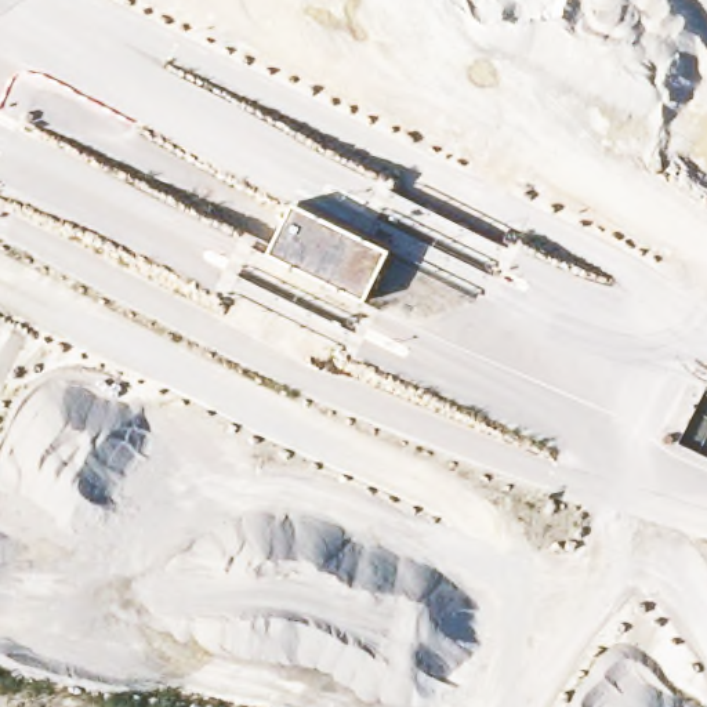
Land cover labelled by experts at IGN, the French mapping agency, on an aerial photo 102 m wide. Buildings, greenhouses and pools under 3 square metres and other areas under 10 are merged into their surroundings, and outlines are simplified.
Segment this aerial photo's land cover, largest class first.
<instances>
[{"label":"pervious surface","instance_id":"1","mask_svg":"<svg viewBox=\"0 0 707 707\"><path fill-rule=\"evenodd\" d=\"M146 17L155 14L166 25L188 30V44L166 61V69L182 75L199 88L221 94L260 113L262 119L279 122L287 130L309 138L312 144L351 163H359L362 168L384 180H392V191L398 196L492 243H522L541 251L544 257L580 268L602 284H613V279H619L627 287V298L619 312V326L627 331L649 334L657 345L677 348V354L674 362H666V370L660 376L655 370L632 367L619 384V398L610 406L608 417L627 436L621 439L624 456L619 469V486H613L610 503L591 519V514L583 505L566 503L561 492L536 494L530 500L516 483L497 481L494 472L469 469L461 461H450V472L434 469L425 461L434 458V447L417 445L411 456L378 445L376 436H381V428H373V436L356 434L351 428L354 423H359L356 417H348V425H337V409L323 406L307 392H298L290 384H282L260 370H251L191 337H182L180 331L135 309L119 307L105 293L91 290L75 276L50 268L44 260H36L30 251H19L17 246L0 238V666L8 668L14 677L47 679L55 685V696H0V707H94L80 701V690L110 696L124 690L168 688L188 693L191 707H707V458L682 447L679 442L682 431L688 428V420L693 417L696 403L707 389V0H124ZM30 122L41 135L91 157L108 171H119L133 182H144L146 188L171 196L174 202L185 204L188 210L204 218L226 224L240 235L268 240L273 229L251 215L202 199L199 193L182 191L171 182L157 180L149 171H141L72 135H64L44 122L41 110H30ZM0 202L47 218L58 226H69V240L97 257L105 254V246L116 249V262L122 268H130L133 260H144V265L160 268L193 284L202 296L221 298V293L199 282L196 276H188L185 271L163 260H155L146 251H135L133 246L94 226H86L75 218H64L52 210H44L33 202L0 191ZM365 367L378 378H389L403 389H414L417 395H428L436 403H445L458 414L478 420L481 425L503 436H511L519 445L539 447L550 458H558V445L525 434L522 428H511L478 406L461 403L436 387L406 378L395 370H384L378 362L365 359Z\"/></svg>","mask_w":707,"mask_h":707},{"label":"impervious surface","instance_id":"2","mask_svg":"<svg viewBox=\"0 0 707 707\"><path fill-rule=\"evenodd\" d=\"M188 44V30L166 25L155 14L146 17L124 0H0V191L33 202L44 210H52L64 218H75L86 226H94L133 246L135 251H146L155 260H163L185 271L188 276H196L199 282L221 293H246L249 282L240 279V271H254L337 315L362 312L365 320L356 329L367 340L359 354V359H365L378 362L384 370H395L406 378L436 387L461 403L478 406L511 428H522L525 434L558 445V458H550L539 447L519 445L511 436H503L481 425L478 420L458 414L445 403H436L428 395H417L414 389H403L389 378H378L365 367L340 359L337 367L351 373V378H342L312 367V362L307 359L296 362L282 351L268 348L265 342H257L246 331L224 326L202 309L188 307L182 298L163 293L135 276H127L122 268L116 262V249L105 246V254L97 257L69 240V226H58L47 218L0 202V238L17 246L19 251H30L36 260H44L50 268L75 276L91 290L105 293L119 307L135 309L180 331L182 337H191L251 370H260L282 384H290L298 392H307L323 406L337 409V425H348V417H356L359 423H354L351 428L356 434L373 436V428H381V436H376L378 445L411 456L417 445L434 447V458L425 461L434 469L450 472V461H461L469 469L494 472L497 481L516 483L530 500L536 494L561 492L566 503L583 505L591 514V519L610 503L613 486H619V469L624 456L621 439L627 436L608 417L610 406L619 398V384L632 367L655 370L660 376L666 370V362H674L677 354V348L657 345L649 334L627 331L619 326V312L627 298V287L619 279H613V284H602L580 268L544 257L541 251L522 243H492L398 196L392 191V180H384L362 168L359 163H351L312 144L309 138L287 130L279 122L262 119L260 113L221 94L199 88L182 75L166 69V61ZM30 110H41L44 122L64 135H72L141 171H149L157 180L171 182L182 191L199 193L202 199L251 215L273 229L279 226L284 235H296L293 215L298 207H304L365 240L384 246L387 262L376 284L370 287L367 301H362L351 293L337 290L334 284L320 282L312 273L296 271L287 262L262 254L268 249V240L240 235L226 224L204 218L188 210L185 204L174 202L171 196L146 188L144 182H133L119 171H108L91 157L41 135L30 122Z\"/></svg>","mask_w":707,"mask_h":707},{"label":"building","instance_id":"3","mask_svg":"<svg viewBox=\"0 0 707 707\"><path fill-rule=\"evenodd\" d=\"M296 235H284L279 226L273 229L268 240V249L262 254L287 262L296 271L312 273L320 282L334 284L337 290L351 293L362 301H367L370 287L376 284L387 262L384 246L365 240L304 207H298L293 215ZM127 276H135L163 293L182 298L188 307L202 309L224 326L246 331L257 342H265L268 348L282 351L296 362L307 359L312 362V367L342 378H351V373L337 367L340 359L365 367V359H359V354L367 340L356 329L365 320L362 312L337 315L254 271H240V279L249 282L246 293H221V298L202 296L193 284L160 268L144 265V260H133L130 268H122ZM682 447L707 458V389L696 403L693 417L688 420V428L682 431L679 442Z\"/></svg>","mask_w":707,"mask_h":707},{"label":"herbaceous vegetation","instance_id":"4","mask_svg":"<svg viewBox=\"0 0 707 707\"><path fill-rule=\"evenodd\" d=\"M80 701L94 707H191L188 693L168 688L124 690L110 696L80 690Z\"/></svg>","mask_w":707,"mask_h":707},{"label":"brushwood","instance_id":"5","mask_svg":"<svg viewBox=\"0 0 707 707\"><path fill-rule=\"evenodd\" d=\"M55 696V685L47 679L14 677L8 668L0 666V696Z\"/></svg>","mask_w":707,"mask_h":707}]
</instances>
